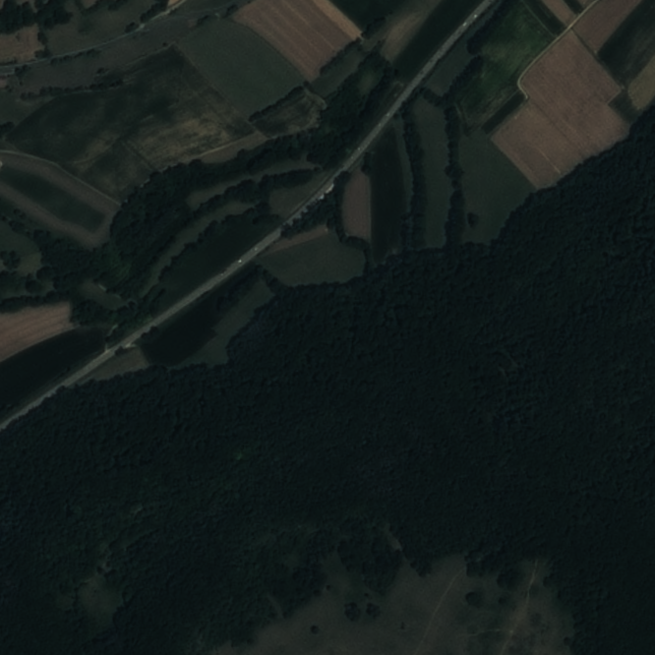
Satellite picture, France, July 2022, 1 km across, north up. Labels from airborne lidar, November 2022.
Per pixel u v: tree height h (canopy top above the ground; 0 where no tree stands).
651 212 23
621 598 23
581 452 19
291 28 0
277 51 0
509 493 21
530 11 0
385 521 7
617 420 15
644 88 0
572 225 15
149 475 21
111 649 22
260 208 12
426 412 21
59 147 0
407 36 0
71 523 14
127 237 16
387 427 21
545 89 0
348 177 17
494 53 0
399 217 0
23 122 0
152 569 13
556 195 19
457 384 19
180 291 0
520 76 0
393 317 19
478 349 17
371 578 10
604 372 13
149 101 0
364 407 21
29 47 0
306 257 0
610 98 0
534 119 0
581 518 17
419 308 26
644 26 0
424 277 21
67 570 13
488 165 0
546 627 0
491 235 0
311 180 16
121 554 10
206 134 0
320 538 11
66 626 16
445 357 18
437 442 22
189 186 21
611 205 16
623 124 0
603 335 14
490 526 16
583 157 0
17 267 12
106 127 0
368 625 0
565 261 14
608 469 13
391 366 22
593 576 20
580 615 10
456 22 0
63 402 16
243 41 0
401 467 25
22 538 17
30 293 12
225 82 0
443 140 0
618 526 23
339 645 0
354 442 19
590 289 21
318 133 13
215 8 0
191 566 19
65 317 0
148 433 18
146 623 19
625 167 25
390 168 0
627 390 20
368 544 14
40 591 19
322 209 19
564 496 22
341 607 0
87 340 0
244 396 20
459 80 12
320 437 13
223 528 14
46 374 0
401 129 0
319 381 24
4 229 0
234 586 13
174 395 19
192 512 13
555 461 22
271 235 0
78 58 8
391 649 0
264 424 17
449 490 14
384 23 11
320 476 19
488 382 23
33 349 0
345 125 16
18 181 0
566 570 21
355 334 24
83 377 0
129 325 16
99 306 8
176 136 0
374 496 19
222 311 18
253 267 0
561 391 17
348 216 0
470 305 22
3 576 26
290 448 16
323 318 25
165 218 23
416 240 21
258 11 0
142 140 0
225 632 10
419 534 13
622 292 19
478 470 17
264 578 10
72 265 20
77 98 0
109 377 0
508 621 0
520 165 0
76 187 0
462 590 0
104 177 0
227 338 0
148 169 0
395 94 0
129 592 9
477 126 0
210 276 0
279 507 16
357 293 20
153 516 9
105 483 18
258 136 0
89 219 0
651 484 18
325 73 11
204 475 18
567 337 12
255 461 15
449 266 27
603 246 21
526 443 20
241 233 0
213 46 0
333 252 0
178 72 0
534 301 17
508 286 21
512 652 0
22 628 25
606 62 0
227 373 16
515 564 9
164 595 19
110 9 12
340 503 17
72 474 16
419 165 15
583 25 0
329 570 0
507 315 11
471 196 0
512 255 25
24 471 18
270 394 26
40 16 13
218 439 16
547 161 0
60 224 0
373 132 0
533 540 16
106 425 17
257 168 25
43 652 23
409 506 15
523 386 15
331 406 20
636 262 11
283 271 0
